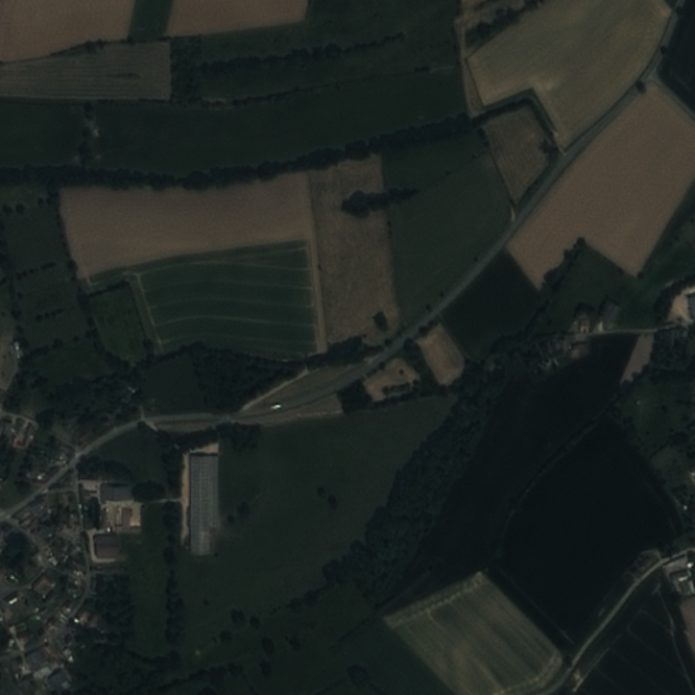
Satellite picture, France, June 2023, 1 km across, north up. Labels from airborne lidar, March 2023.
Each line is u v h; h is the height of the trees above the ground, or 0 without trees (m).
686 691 0
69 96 0
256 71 12
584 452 0
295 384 0
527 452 0
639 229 0
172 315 0
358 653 0
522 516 0
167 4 0
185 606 16
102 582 24
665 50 12
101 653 11
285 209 0
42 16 0
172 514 21
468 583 0
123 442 0
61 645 0
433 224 0
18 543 20
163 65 0
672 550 8
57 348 13
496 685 0
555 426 0
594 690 0
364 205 24
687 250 0
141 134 0
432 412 0
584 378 0
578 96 0
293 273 0
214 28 0
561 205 0
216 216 0
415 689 0
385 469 0
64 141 0
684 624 0
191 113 0
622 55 0
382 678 0
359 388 10
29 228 0
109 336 0
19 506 0
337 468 0
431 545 0
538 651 0
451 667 0
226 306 0
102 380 6
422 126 0
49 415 15
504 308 0
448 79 0
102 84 0
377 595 22
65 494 0
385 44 8
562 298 0
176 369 0
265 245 0
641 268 0
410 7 0
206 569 0
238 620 20
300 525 0
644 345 0
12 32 0
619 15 0
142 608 0
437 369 0
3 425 0
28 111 0
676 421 0
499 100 0
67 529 0
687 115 0
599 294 0
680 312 0
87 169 10
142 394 11
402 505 28
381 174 0
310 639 0
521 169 0
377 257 0
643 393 0
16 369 0
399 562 27
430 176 0
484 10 0
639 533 0
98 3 0
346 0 0
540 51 0
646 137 0
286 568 0
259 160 0
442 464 29
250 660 0
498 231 0
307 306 0
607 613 0
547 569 0
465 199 0
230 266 0
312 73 0
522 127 0
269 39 0
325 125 0
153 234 0
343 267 0
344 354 22
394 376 0
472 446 23
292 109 0
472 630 0
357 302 0
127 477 18
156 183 16
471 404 22
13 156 0
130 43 9
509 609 0
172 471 15
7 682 0
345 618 0
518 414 0
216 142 0
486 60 0
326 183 0
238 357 10
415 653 0
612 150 0
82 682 6
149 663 9
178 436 0
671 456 0
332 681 0
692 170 0
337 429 0
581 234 0
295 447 0
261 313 0
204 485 0
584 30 0
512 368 0
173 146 0
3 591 0
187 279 0
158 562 0
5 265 17
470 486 0
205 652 0
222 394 15
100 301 0
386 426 0
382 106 0
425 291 0
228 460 0
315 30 0
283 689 0
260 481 0
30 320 0
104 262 0
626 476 0
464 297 0
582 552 0
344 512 0
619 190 0
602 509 0
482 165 0
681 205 0
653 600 0
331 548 0
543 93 0
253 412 0
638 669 0
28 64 0
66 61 0
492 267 0
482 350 0
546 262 0
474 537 0
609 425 0
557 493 0
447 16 0
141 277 0
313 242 0
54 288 0
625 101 0
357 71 0
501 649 0
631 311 0
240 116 0
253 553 0
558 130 0
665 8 0
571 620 0
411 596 0
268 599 0
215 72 23
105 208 0
